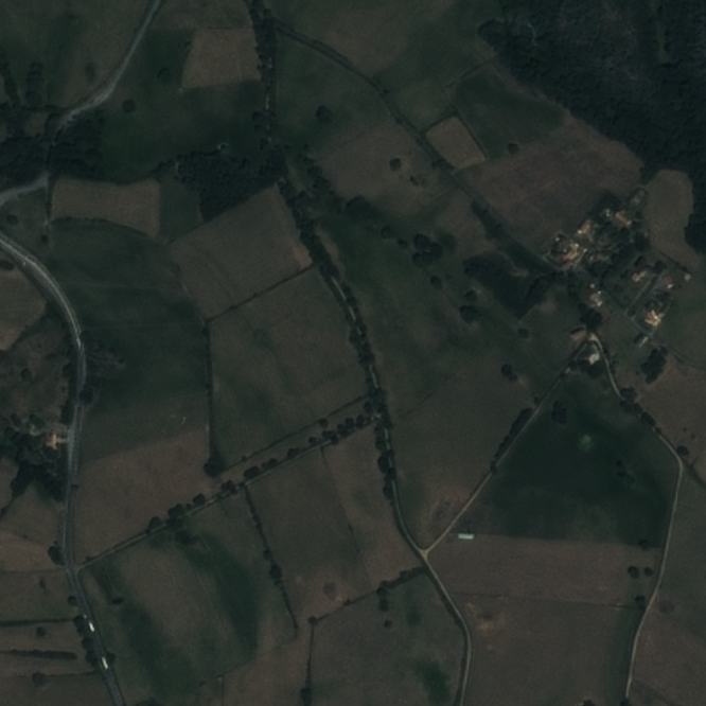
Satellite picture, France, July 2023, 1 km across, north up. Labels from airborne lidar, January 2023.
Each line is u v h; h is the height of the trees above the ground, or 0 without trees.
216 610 0
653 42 15
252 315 0
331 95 0
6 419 0
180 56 0
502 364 0
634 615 0
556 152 0
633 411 15
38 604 0
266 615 0
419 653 0
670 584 0
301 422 0
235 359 0
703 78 13
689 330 0
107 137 0
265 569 0
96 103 0
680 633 0
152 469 0
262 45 11
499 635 0
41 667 0
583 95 16
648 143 21
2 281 0
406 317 0
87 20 0
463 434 0
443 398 0
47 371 0
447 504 0
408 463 0
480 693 0
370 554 0
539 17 11
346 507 0
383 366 0
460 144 0
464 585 0
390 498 13
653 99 7
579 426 0
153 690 0
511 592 0
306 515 0
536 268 6
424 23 0
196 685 0
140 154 0
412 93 0
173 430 0
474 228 0
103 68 0
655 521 0
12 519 0
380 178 0
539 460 0
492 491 0
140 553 0
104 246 0
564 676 0
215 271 0
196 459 0
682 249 0
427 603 0
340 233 0
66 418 13
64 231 0
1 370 0
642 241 14
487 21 0
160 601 0
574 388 0
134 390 0
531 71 23
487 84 0
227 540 0
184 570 0
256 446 0
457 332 0
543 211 0
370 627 0
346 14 0
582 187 0
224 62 0
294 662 0
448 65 0
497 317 0
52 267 0
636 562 0
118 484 0
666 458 0
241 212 0
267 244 0
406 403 0
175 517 13
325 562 0
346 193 0
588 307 10
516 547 0
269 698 0
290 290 0
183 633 0
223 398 0
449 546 0
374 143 0
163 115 0
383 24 0
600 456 0
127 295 0
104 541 0
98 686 0
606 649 0
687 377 0
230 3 0
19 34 0
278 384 0
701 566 0
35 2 0
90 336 11
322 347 0
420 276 0
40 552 0
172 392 0
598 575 0
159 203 0
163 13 0
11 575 0
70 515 0
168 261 0
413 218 0
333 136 0
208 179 17
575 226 0
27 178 9
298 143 0
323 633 0
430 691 0
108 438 0
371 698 0
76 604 13
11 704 0
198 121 0
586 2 10
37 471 14
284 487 0
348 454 0
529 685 0
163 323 0
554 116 0
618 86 8
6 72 18
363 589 0
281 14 0
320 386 0
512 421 0
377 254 0
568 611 0
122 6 0
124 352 0
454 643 0
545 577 0
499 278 15
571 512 0
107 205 0
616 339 0
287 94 0
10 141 7
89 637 10
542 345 0
